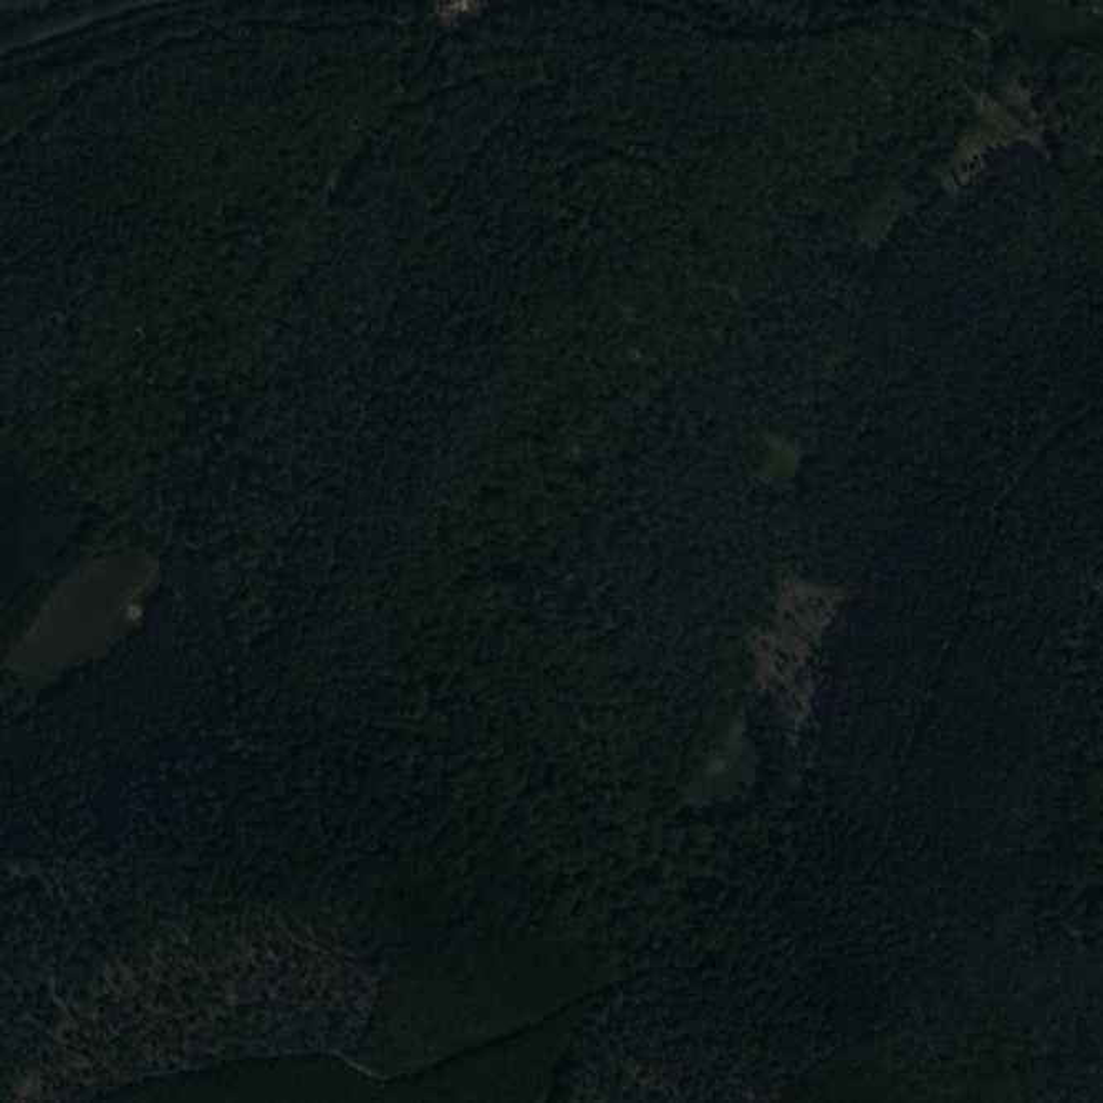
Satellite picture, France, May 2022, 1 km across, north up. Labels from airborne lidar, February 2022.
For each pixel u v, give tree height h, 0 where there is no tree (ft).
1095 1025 67
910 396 81
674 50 95
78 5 61
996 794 47
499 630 117
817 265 101
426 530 64
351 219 97
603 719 105
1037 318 78
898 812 80
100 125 96
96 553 36
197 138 74
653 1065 69
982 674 75
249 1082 57
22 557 45
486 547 101
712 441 99
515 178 111
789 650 0
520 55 95
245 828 98
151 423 77
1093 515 76
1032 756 60
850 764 104
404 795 101
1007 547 80
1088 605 73
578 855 115
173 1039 77
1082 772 88
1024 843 62
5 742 66
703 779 0
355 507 87
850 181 80
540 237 99
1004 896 76
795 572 93
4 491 64
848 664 89
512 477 104
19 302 81
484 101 94
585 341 107
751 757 0
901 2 40
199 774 22
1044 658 67
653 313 111
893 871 78
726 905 111
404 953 51
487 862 35
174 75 83
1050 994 76
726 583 102
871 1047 47
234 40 81
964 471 93
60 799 40
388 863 92
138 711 50
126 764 47
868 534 101
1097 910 97
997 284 88
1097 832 114
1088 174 89
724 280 98
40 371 81
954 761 74
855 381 86
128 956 66
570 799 108
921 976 70
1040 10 0
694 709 99
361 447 82
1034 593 74
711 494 103
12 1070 33
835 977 94
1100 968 66
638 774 118
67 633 0
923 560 85
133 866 81
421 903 61
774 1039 77
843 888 98
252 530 105
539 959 47
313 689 77
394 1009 31
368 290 110
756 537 103
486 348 72
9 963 88
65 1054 90
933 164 78
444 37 99
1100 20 0
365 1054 50
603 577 113
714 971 99
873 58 84
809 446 88
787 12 81
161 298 94
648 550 91
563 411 111
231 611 81
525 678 85
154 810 116
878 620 100
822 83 89
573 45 100
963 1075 46
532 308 76
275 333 99
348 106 99
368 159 96
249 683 105
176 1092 54
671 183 90
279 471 88
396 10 77
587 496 108
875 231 0
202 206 101
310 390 111
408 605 79
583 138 59
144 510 96
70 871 86
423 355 85
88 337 85
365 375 106
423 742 97
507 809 120
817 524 99
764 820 85
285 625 101
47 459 92
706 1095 64
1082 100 28
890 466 90
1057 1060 80
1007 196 78
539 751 114
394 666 97
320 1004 93
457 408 61
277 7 87
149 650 53
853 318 67
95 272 84
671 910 120
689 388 102
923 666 89
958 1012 69
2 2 0
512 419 96
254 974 73
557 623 93
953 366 79
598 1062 89
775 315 110
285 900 65
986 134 0
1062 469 62
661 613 108
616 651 108
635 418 125
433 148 94
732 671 92
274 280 90
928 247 96
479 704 106
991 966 63
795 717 96
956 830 67
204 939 62
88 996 55
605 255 104
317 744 100
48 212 0
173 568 22
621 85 91
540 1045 61
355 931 74
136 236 93
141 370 110
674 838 61
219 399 81
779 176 84
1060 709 59
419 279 78
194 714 42
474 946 52
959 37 35
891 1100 65
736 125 98
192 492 71
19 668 0
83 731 73
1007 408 100
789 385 95
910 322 89
